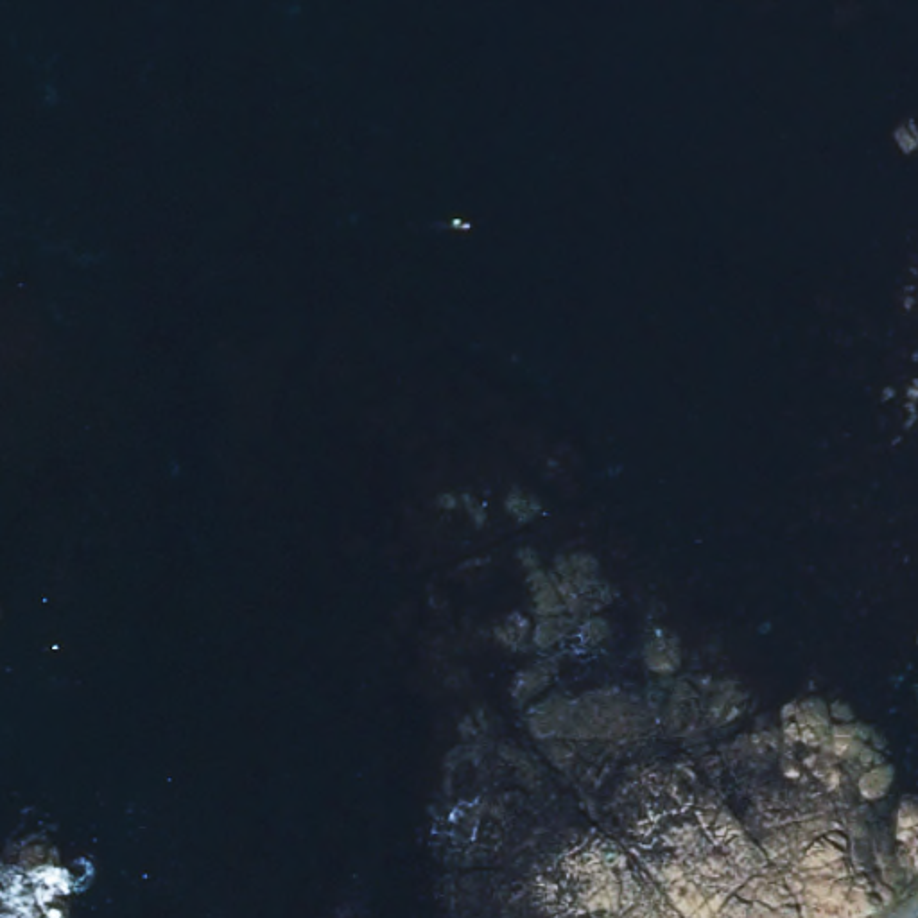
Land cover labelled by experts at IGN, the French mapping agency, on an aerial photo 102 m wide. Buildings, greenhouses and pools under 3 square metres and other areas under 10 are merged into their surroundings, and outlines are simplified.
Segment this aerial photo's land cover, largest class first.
<instances>
[{"label":"water","instance_id":"1","mask_svg":"<svg viewBox=\"0 0 918 918\"><path fill-rule=\"evenodd\" d=\"M785 703H846L861 728L882 735L879 757L889 767V778L904 764H918V0H0V875L7 868L68 871V893L54 896L61 918H545L534 886V868L549 864L556 853H567L570 846L592 850L595 843H613V850L620 853L635 843V821L645 810L671 807L667 785H678L685 796H706L721 803L735 825L753 810L757 800H767L771 792L800 796V785L785 778L782 753H753L749 742L753 732L785 728Z\"/></svg>","mask_w":918,"mask_h":918},{"label":"bare soil","instance_id":"2","mask_svg":"<svg viewBox=\"0 0 918 918\"><path fill-rule=\"evenodd\" d=\"M785 728L753 732L749 742L753 753H782L785 778L800 785V796L771 792L767 800H757L753 810L735 825L721 803L706 796H685L678 785H667L671 807L645 810L635 821V843L620 853L613 850V843H595L592 850L570 846L567 853H556L549 864L534 868V886L545 918H918V764H904L889 778V767L879 757L882 735L861 728L846 703H785ZM68 893V871L7 868L0 875V918H61L54 896Z\"/></svg>","mask_w":918,"mask_h":918}]
</instances>
